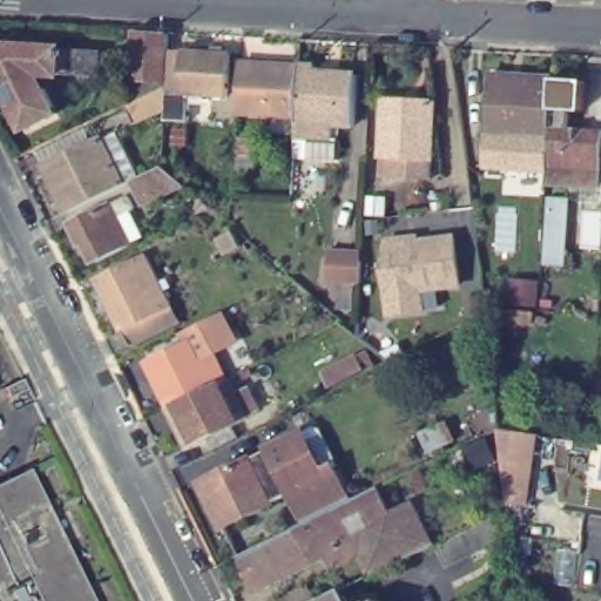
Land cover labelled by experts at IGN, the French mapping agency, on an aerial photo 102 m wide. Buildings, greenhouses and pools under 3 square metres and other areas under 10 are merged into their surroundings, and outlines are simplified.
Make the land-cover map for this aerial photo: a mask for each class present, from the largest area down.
<instances>
[{"label":"building","instance_id":"1","mask_svg":"<svg viewBox=\"0 0 601 601\"><path fill-rule=\"evenodd\" d=\"M127 68L134 70V82L139 85V96L131 103H127V106L131 108V117L139 122H141L162 113L160 127L171 124L197 122V106H190L185 101L190 96H221L225 92L228 54L211 49H169L167 35L162 31H127ZM96 52H70L47 42L0 40V110L14 134H23L33 122L52 113L47 94L40 89L42 77L75 80H89L94 75ZM211 117L221 115L228 120H284L291 127L293 155L301 162L308 157L319 167L336 164V139L340 129H345L352 120V73L343 70L322 68L301 61V56L296 54H244L235 68L232 94H225L209 113ZM479 127L488 136H484L474 146L481 171L498 169L502 176L507 171H524V176H540L545 171V188L566 190L568 183L594 185L596 181H601V134L589 129H573L566 122L568 113L578 110L575 77H549L538 73H509L498 68L491 73L479 70ZM434 115L432 101L390 96L376 101V185L392 190L399 183H423L425 174L430 171ZM35 157V181L45 185V200L52 216H61L70 204L85 200L87 195L101 193L117 183L129 185V193H117L103 200L101 204L75 216L73 221L61 216L56 221L61 230L66 232L70 247L85 265L101 263L108 256H115L117 251H122V244L127 239H139V232L136 223L143 221V209H150V204L162 195L176 193L178 183L160 167L134 171V167L122 143L115 134H108L103 139L87 136V129H82L80 124L54 136L52 141L31 148ZM169 143L171 148H181L185 143V131L171 129ZM254 167L249 160V143L242 141V136L235 141L237 171H247ZM385 200L371 195L364 202V230L369 237H376L380 223ZM568 204L561 197H547L540 239L542 265L559 268L563 265L566 254ZM207 207L202 200H195L193 211L202 214ZM237 244L232 232L228 230L214 239V247L218 254H235ZM380 301L383 317L392 319L425 317L427 312L441 308L437 303V291H453L460 286L451 235L387 237H383L376 244L373 263ZM359 279V254L331 247L329 254H322L317 284L329 293V298L336 303L340 312L347 315L352 312V289ZM94 282L99 305L103 308L108 322L117 331L148 336L167 326H174L178 319L167 301V279L155 277L146 256L117 263L89 277ZM498 305L500 312L509 315L516 326H524L531 333L540 324V319L531 312H516V301L521 305H531V298L535 296V282L521 279L519 272L512 279V284L502 282ZM237 338L223 315H211L188 324L171 343L148 352L141 359V366L160 404L164 423L183 451L216 448L230 444L235 434L230 427L232 418H247L249 413L261 411L265 406L263 385L251 383V387L237 390L235 385H228L221 378L216 354L228 352V347ZM385 357H380V343L376 347H369L364 343L357 354L347 359L331 357V362L322 366V387L338 385L357 373L364 376L366 371H371ZM28 385L26 380H19L16 385L0 387V404L21 399ZM467 416H460V423L467 425V430L460 432L455 444L458 451H453L451 460L462 462L467 474H479L484 467H498L500 498L507 500V507L516 509L526 500L535 437L500 430L495 423V413L486 411L477 401L472 406H465ZM305 420L301 416L291 420L286 432L275 434L272 441H258V448L251 453L254 465H247L244 458L232 470L228 465H221L197 477L193 486L211 528L216 531L218 542H225L228 547H232V552H237L235 563L242 578L244 594L247 596L249 592H258L263 585H270L272 592H279L293 575L308 580L310 575L329 568H343L347 578H369L376 566L392 563V559H404L413 554H437L439 563L448 568L451 563L465 559L474 563L477 554L486 549L488 542L495 540V528L484 516L472 531L462 533L451 542H430L413 505L404 502L397 507H385L376 488H369L359 491L357 495H345V488L333 467L329 462H317L312 458V453L305 446V439L301 425ZM272 500H284L286 509L293 516V526L284 528L277 535H268L261 545H254L249 549L247 542L237 531L235 521L244 516H261L265 505H270ZM451 434L446 425L420 430L418 441L423 451L434 453L448 439ZM0 601H99L38 474L28 470L0 484ZM538 536L514 535L519 559L524 554H538L540 559L545 552L535 540ZM308 601H343L338 592H324L319 596H312Z\"/></svg>","mask_w":601,"mask_h":601},{"label":"impervious surface","instance_id":"2","mask_svg":"<svg viewBox=\"0 0 601 601\"><path fill-rule=\"evenodd\" d=\"M0 14L45 16L47 21L108 26L127 31H162L167 35L169 49H211L228 54L225 92L221 96H190L185 101L190 106H197V122L207 127H223L228 120L221 115L211 117L209 113L225 94H232L235 68L244 54H296L301 45L312 47L315 40H336L329 47V59L322 68L343 70L338 61L340 59V42H354L366 47L371 42L401 46H437L439 42L453 45V63L465 66L472 49L477 54H484L491 47H495L498 40H524L552 42L556 49H578V54H585L587 63L578 66L575 77L578 110L568 113L566 122L573 129H589L601 134V0H0ZM188 21L242 26V31L249 38L244 45L211 38L202 42H183L181 33ZM272 26L296 28V33L301 35L298 45L293 47L263 42L261 38ZM120 124L139 122L131 117V108L127 106L122 108V113L106 110L87 117L80 124L82 129H87V136L103 139L108 134H115ZM265 136L282 153L284 162H289L291 169L289 188L296 202L298 209H303L312 204L317 193L324 190L319 167L308 157L301 162L293 155L291 127L284 120H268L263 124ZM45 185L35 181V157L31 148L23 153L19 150L12 157L7 148L0 143V387L16 385L19 380H26L28 385L21 399L0 404V484L28 470L23 465L28 462L26 451H33L42 441V425H54L68 453V462L73 472L80 477L85 495L92 502L113 549L117 552V559L122 561V568L139 601H308L312 596L308 592V580L293 575L279 592H272L270 585H263L258 592H249L247 596L244 594H232L221 582V573L216 570L218 563L211 549L200 531L193 509L183 498V491L193 486L197 477L221 465H228L232 470L244 458L247 465H254L251 453L258 448V441H272L275 434L270 423L247 430L244 434H235L230 444L216 448L183 451L164 423L160 404L141 366L136 362H129L120 369L115 354L120 350L136 347L141 338L148 336L117 331L115 338H106L94 340L85 322L80 298L70 289L63 268L59 265V261L66 258L54 239V235L61 230L56 221L61 216H52L45 200ZM484 178L502 183V195H542L545 188V171L540 176H524V171H507L502 176L498 169L481 171ZM117 193H129V185L117 183L101 193L87 195L85 200L70 204L61 216L73 221L75 216L101 204L103 200ZM472 209L470 214L455 216H448L446 211H430L427 216L413 221H401L397 216V223L387 228V237L451 235L460 286V312L467 319L472 317L474 308L472 291L481 289V268L474 270V239L470 235V230H474ZM392 319L383 317L380 301L373 305L364 329L380 343V357H385L399 352V345L390 340ZM221 378L228 385H235L237 390L251 387V383L263 385L272 380L270 376H261L254 371L251 357L247 352V343L237 338L228 347V352L216 354ZM545 439L535 437L526 500L516 509L507 507L502 512L512 521L514 535L538 536L563 538L568 542L570 547H580V552L568 563L566 578L582 580L585 585H592L594 575L601 580V505L585 507L573 502L563 509L561 498L554 495V460L542 458ZM601 486V453L589 451L587 488ZM406 568L397 580L364 582L357 578H347L338 582V592L343 601H455V582L462 587L477 582L491 570V556L486 549L477 554L474 563L465 559L451 563L448 568L439 563L437 554H413L404 559Z\"/></svg>","mask_w":601,"mask_h":601},{"label":"herbaceous vegetation","instance_id":"3","mask_svg":"<svg viewBox=\"0 0 601 601\"><path fill-rule=\"evenodd\" d=\"M0 40L47 42L70 52H106L108 42L75 33H40L28 28L0 31ZM336 40H315L312 47L301 45L296 54L301 56V61L322 68L329 59V47ZM340 59L364 61L369 59L366 47L354 42H340ZM554 52L495 47H491L484 54L479 70L491 73L498 68L509 73H538L535 63L540 59L552 56ZM371 59H376V75L385 82V92L390 96L432 101L434 115L430 171L437 176L451 174L448 89L441 61L432 68V77L418 73L416 87H406L401 85L399 70L387 68L383 54H373ZM472 209L474 230H470V235L474 239V270L481 268V289L488 293V301L498 305L502 282L512 284V279L519 272L521 279L535 282V296L531 298V305H521L516 301V312H531L540 319V324L531 333L524 326H516L509 315L500 312V324L495 326L500 343V373L509 376L521 359L533 362V371L538 376L575 383L582 392L601 399V247L596 251L580 249L570 258L566 254L563 265L559 268L542 265L540 239L547 197L542 195H502V183L484 178L481 171L474 146L470 127L465 66L453 63ZM498 207H512L516 211V247L514 254L507 258H500L493 251ZM75 85V80L42 77L40 89L47 94L52 113L33 122L23 134H14L12 139L19 150L23 153L31 148L52 141L54 136L80 124L87 117L106 110L122 113V108L127 106V103L124 99H117L113 94L89 92L85 99L68 106V87ZM162 113L141 122L146 127V134L136 131L134 141L122 143L134 167L141 160L139 153L160 146V127ZM366 150L359 164V185L347 218V225L354 230L352 242L333 239V221L338 216L340 193L350 164V134L345 129H340L336 139V164L319 167L324 190L317 193L312 204L303 209H298L296 202L251 195L242 202V221L247 232L265 242L270 251L291 256V265L298 268L301 263H305V277L317 284L322 254H329L331 247L359 254V279L366 284L364 293L373 305L380 301L373 263L376 244L383 237H387V228L380 223L376 237H369L364 230V202L371 195L376 185V113H373L369 120H364ZM171 129L185 131V143L181 148L178 155L188 174L197 176L200 181H209L211 176L221 181L237 171L235 141L242 136L244 129L235 124V120H228L223 127H207L197 122L171 124ZM146 256L155 277L167 279V301L178 319L174 326H167L148 336L141 338L136 347L120 350L115 354L120 369L129 362H136L141 366V359L148 352L171 343L188 324L211 315H223L237 338L247 343V352L251 347L265 345V350L272 352L279 362L275 376H270L272 380L279 392V411L270 423L275 434L286 432L291 420L301 416L305 420L301 425L305 439L322 434L333 453V467L345 488V486H347V484L352 481V477H354L357 472H359V477H362V479H371V486H369V488H376L380 484L406 486L408 477L418 467L420 472L430 470L434 453L423 451L418 441L420 430L446 425L451 434L448 439L455 444L460 432L467 430V425L460 423V416H467L465 406H472L477 401L474 392L458 380V371L451 354L453 333L462 329L467 319L460 312V286L453 291H437V303L441 308L427 312L425 317L392 319L390 340L399 345V352L406 357L408 352L420 350L427 369L441 376L444 392L451 397L444 404L441 416H434L432 411H427L425 416L404 413L401 408L390 406L387 399L376 392V376L371 371H366L364 376L357 373L338 385L340 392L322 397L312 406L305 401L308 390L322 387V366L331 362V357L347 359L357 354L364 343L352 331H347L336 317L331 322L326 317L317 319L312 296L296 279L275 272L256 251L237 244L235 254H218L214 247H209L207 242H197L193 237H183L178 230L167 237L139 232V239H127L122 244V251H117L115 256H108L101 263L85 265V272L89 277L117 263ZM286 289H291L296 298L291 303L284 301L279 305V322L263 324V315L272 308V293ZM542 458L554 460V495L561 498L563 509L573 502L585 507L601 505V486L587 488L589 451L587 446L573 444L570 439H545ZM49 455V446H45L42 441L33 451H26L28 462L23 465L28 470L38 474L99 601H127L60 466L49 473L40 467ZM413 505L430 542H451L462 533L472 531L484 516L479 512L446 507L439 512V519L430 521L420 495L408 491L404 495V502ZM580 552V547H570L568 542L563 549H556L554 575L535 570V563L540 559L538 554H524L519 559V568L528 587L538 589L547 601H601V580L594 575L592 585H585L582 580L566 578L568 563Z\"/></svg>","mask_w":601,"mask_h":601},{"label":"deciduous trees","instance_id":"4","mask_svg":"<svg viewBox=\"0 0 601 601\"><path fill-rule=\"evenodd\" d=\"M127 42H108L106 52H96L94 75L89 80H75V85L68 87V106L85 99L89 92L113 94L117 99H124L127 103H131L139 96V85L134 82V70L127 68ZM408 63L418 73L432 77V68L441 61L437 54V46H401ZM587 63L585 54H578V49H556L554 52L552 56L540 59L535 63L538 73L549 77H575L578 66ZM268 120H235V124L244 129L242 136V141L249 143V160L254 167L247 171H237L221 181L211 176L209 181H200L197 176L188 174L178 155L181 148H171L169 143L171 129V124L160 127V146L139 153L141 160L134 167V171L160 167L178 183L176 193L162 195L150 204V209H143V221L136 223L139 232L167 237L178 230L185 228L183 223L190 221L193 211L195 200H202L207 207H216L221 200L242 202L251 195L247 188H289L291 169L289 162H284L282 153L265 136L263 124ZM136 131L146 134V127L141 122H139L120 124L115 134L122 143L134 141ZM439 204H441V207H458V193H455V188H441V190H439V195H437ZM296 298L291 289H286L272 293V308L263 315V324L279 322V305L284 301L291 303ZM474 308L472 317L467 319L462 329L453 333L451 354L458 371V380L474 392L477 401L486 411L495 413V423L500 430L545 439H570L573 444L587 446L589 451L601 453V399L582 392L575 383L538 376L533 371V362L521 359L509 376L500 373V343L495 326L500 324V312L498 305L488 301V293L481 289L472 291ZM251 357L254 371L261 376H275L279 362L272 352L265 350V345L251 347L247 352ZM376 376V392L387 399L390 406L401 408L404 413L425 416L427 411H432L434 416H441L444 404L451 397L444 392L441 376L427 369L420 350L408 352L406 357L399 352L385 357L371 371ZM453 451H458L455 444L448 439L434 453L430 470L420 472L418 467L408 477L406 486L380 484L376 488L385 507H397L404 502V495L408 491L420 495L430 521L439 519V512L446 507L479 512L484 516L495 528V540L488 542L486 549L491 556V570L477 582L462 587L455 582V601H547L538 589L528 587L519 568V559L514 535L512 521L502 512L507 507V500L500 498L498 467H484L479 474H467L462 462L451 460ZM369 486H371V479H362V477H359V472H357L354 477H352V481L347 484V486H345V495H357L359 491L369 488ZM293 526V516L286 509H282L279 516H268L263 521L265 533L249 538L247 542L249 549L254 545H261L268 535H277L284 528ZM218 563L216 570L221 573V582L232 594H244L242 578L235 563L237 552H232V547H228L225 542H218V547L211 549ZM406 568L404 559H392V563L376 566L369 578H357L364 582L397 580ZM347 578L343 568H329L310 575L308 580V592L312 596H319L324 592H338V582Z\"/></svg>","mask_w":601,"mask_h":601},{"label":"pervious surface","instance_id":"5","mask_svg":"<svg viewBox=\"0 0 601 601\"><path fill-rule=\"evenodd\" d=\"M211 38L244 45L249 38L242 31V26L188 21L181 33L183 42H202ZM301 35L296 33V28L272 26L261 38L263 42L293 47L298 45ZM554 52L556 49L552 42L524 40H498L495 47ZM453 45L439 42L437 46V54L441 61L448 89L451 174L437 176L430 171L425 174L423 183H399L392 190L376 185L371 195L385 200L380 223L387 228L397 223V216L401 221H413L427 216L430 211H446L448 216H455L470 214L472 209L453 63ZM441 188H455V193H458V207H441V204H439L437 195H439V190H441ZM484 54H477L472 49L465 66L470 127L474 146L484 136H488L479 127V70ZM338 61L343 70L352 73V120L345 129L350 134V164L340 193L338 216L333 221V239L352 242L354 230L347 225V218L359 185V164L366 150L364 120H369L373 113L364 99V61L340 59ZM542 195L547 197H561L568 204L566 254L570 258L580 249L578 216L582 211L601 214V181H596L594 185L568 183L566 190L545 188ZM59 265L63 268L70 289L80 298L85 322L94 340L106 338L92 315L89 303L85 301L82 284L75 279L73 268L66 258L59 261ZM265 406L261 411L249 413L247 418H232L230 427L235 434H244L247 430L270 423L279 411V392L272 380L263 385ZM282 509H286L284 500H272L270 505H265L261 516H244L235 521L237 531L247 542L249 538L265 533L263 521L268 516H279Z\"/></svg>","mask_w":601,"mask_h":601},{"label":"brushwood","instance_id":"6","mask_svg":"<svg viewBox=\"0 0 601 601\"><path fill-rule=\"evenodd\" d=\"M28 28L40 33H75L108 42H127V31L108 26L47 21L45 16L0 14V31ZM369 59L364 61V99L373 113H376V101L390 96L385 92V82L376 75V59H371L373 54H383L387 68L399 70L401 85L406 87H416L418 73L408 63L401 46L371 42L366 47ZM14 134L0 110V143L7 148L12 157L19 150L12 139ZM251 195L296 202L289 188H247ZM185 228L178 230L183 237H193L197 242H207L209 247H214V239L228 230L232 232L237 244L256 251L275 272L296 279L312 296L317 319L326 317L331 322L336 317L347 331H352L364 343L369 347H376L380 343L364 329L373 305L364 293L366 284L359 279L352 289V312L347 315L340 312L336 303L329 298V293L317 284L305 277V263H301L298 268L291 265V256L270 251L265 242L247 232L242 221V202L221 200L216 207H207L202 214L193 211L190 221L183 223ZM54 239L66 258L73 268L75 279L82 284L85 301L89 303L92 315L106 338H115L117 331L108 322L103 308L99 305L94 282L89 277L85 272V265L70 247L66 232L61 230L54 235ZM340 392L338 385L322 387L308 390L305 401L312 406L322 397ZM45 446H49V455L40 467L49 473L60 466L127 601H139L122 568V561L117 559V552L113 549L92 502L85 495L80 477L73 472L68 462V453L54 425H42V441ZM183 498L193 509L200 531L211 549L218 547V542L216 531L211 528L193 486L183 491ZM535 540L545 552L540 559L535 563V570L554 575L556 549H563L568 542L563 538L538 536Z\"/></svg>","mask_w":601,"mask_h":601},{"label":"swimming pool","instance_id":"7","mask_svg":"<svg viewBox=\"0 0 601 601\"><path fill-rule=\"evenodd\" d=\"M516 247V211L512 207H498L493 251L500 258H507L514 254ZM580 249L596 251L601 247V214L582 211L578 216ZM305 446L312 453V458L317 462H329L333 467V453L322 434L305 439Z\"/></svg>","mask_w":601,"mask_h":601}]
</instances>
